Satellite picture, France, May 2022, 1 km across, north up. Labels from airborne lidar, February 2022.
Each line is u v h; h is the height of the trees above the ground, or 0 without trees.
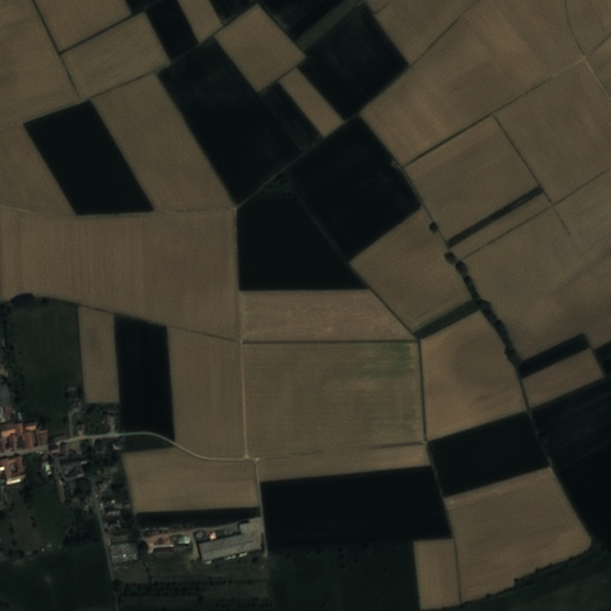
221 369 0
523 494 0
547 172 0
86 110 0
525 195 0
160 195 0
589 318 0
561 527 0
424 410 0
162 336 0
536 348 0
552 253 0
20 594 0
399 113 0
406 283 0
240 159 0
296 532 0
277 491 0
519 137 0
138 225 0
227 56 0
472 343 0
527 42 0
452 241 0
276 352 0
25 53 0
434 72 0
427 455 0
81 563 0
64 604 0
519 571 0
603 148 0
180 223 0
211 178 0
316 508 0
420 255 0
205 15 0
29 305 17
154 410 0
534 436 0
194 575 0
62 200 0
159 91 0
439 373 0
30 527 0
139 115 0
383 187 0
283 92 0
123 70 0
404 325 0
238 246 0
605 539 0
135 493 0
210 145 0
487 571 0
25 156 0
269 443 0
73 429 0
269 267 0
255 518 0
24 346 0
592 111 0
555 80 0
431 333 0
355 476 0
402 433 0
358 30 0
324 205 0
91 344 0
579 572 0
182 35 0
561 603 0
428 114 0
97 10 0
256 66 0
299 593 0
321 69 0
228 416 0
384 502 0
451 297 0
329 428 0
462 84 0
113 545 0
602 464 0
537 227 0
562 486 0
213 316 0
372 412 0
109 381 0
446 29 0
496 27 0
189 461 0
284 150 0
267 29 0
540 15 0
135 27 0
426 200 0
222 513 0
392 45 0
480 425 0
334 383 0
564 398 0
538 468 0
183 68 0
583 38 0
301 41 0
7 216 0
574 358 0
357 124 0
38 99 0
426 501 0
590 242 0
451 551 0
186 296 0
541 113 0
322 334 0
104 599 0
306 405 0
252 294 0
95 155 0
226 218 0
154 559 0
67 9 0
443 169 0
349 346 0
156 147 0
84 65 0
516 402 0
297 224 0
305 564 0
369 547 12
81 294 0
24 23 0
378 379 0
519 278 0
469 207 0
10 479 0
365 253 0
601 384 0
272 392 0
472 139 0
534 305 0
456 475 0
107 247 0
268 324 0
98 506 0
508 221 0
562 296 0
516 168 0
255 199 0
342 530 0
